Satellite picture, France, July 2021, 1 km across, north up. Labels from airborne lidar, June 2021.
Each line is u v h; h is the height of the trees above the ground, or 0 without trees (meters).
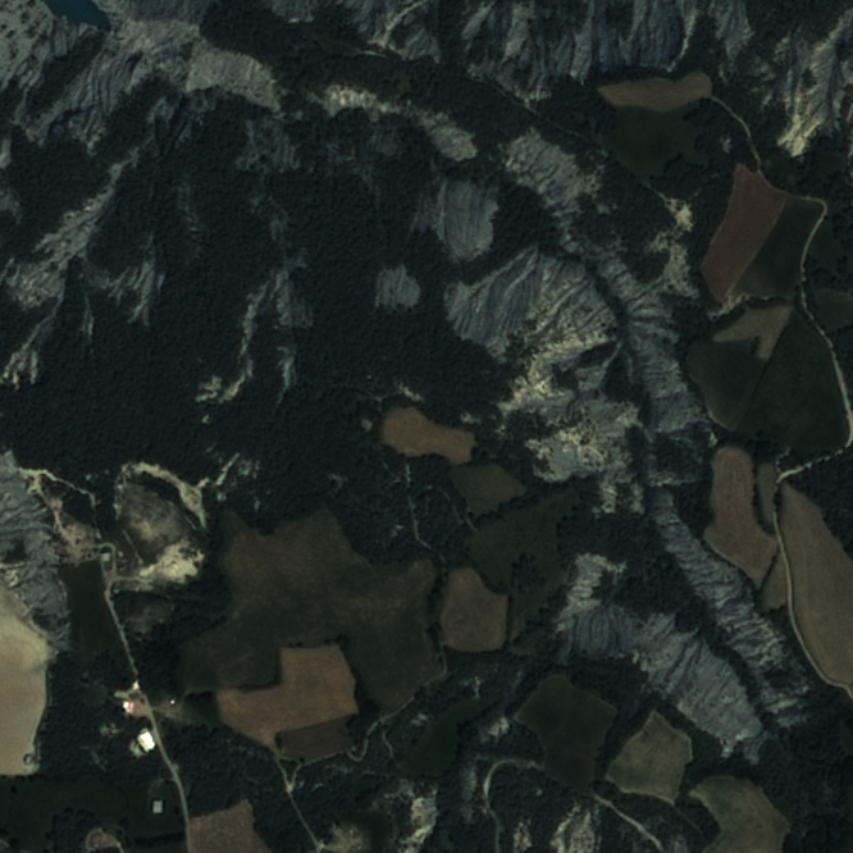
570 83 8
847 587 0
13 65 0
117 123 9
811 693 6
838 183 10
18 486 0
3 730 0
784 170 0
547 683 0
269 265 8
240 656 0
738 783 0
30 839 0
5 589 0
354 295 7
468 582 0
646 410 9
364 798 11
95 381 6
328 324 7
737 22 0
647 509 6
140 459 7
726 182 7
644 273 6
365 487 8
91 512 7
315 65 10
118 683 7
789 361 0
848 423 0
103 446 6
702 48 7
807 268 9
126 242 6
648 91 0
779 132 7
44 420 8
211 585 10
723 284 0
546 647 6
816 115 0
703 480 7
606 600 7
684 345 6
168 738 6
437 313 7
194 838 0
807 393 0
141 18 0
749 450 6
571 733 0
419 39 0
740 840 0
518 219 12
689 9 0
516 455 7
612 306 6
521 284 0
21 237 6
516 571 10
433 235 6
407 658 0
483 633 0
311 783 8
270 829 13
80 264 6
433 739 0
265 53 8
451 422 7
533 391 0
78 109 0
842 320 0
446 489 7
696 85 0
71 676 6
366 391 6
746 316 0
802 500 0
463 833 12
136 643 8
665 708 10
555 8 8
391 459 6
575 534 9
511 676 10
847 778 19
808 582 0
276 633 0
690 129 0
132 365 6
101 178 10
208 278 7
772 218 0
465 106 8
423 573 0
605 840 7
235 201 9
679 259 0
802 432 0
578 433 0
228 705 0
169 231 9
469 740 20
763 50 6
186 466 8
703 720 0
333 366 6
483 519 11
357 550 7
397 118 9
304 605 0
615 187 6
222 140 8
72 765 7
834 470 10
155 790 0
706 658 0
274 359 7
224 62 0
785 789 9
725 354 0
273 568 0
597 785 10
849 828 11
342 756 8
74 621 0
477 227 0
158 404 10
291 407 9
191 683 0
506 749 8
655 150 0
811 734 8
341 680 0
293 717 0
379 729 7
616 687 9
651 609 7
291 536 0
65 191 6
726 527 0
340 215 7
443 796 10
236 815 0
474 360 6
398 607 0
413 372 6
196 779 9
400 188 9
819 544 0
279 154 0
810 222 0
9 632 0
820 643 0
